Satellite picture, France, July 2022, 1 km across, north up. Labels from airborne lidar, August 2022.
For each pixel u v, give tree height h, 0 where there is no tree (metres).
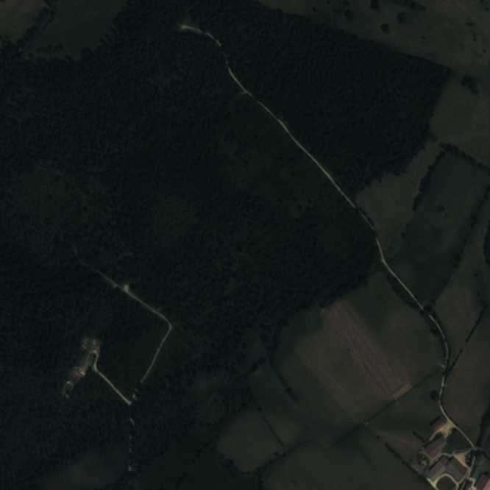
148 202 8
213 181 5
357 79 8
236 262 26
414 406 0
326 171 0
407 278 0
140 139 10
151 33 9
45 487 0
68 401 7
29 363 17
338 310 0
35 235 15
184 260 8
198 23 10
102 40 0
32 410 19
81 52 0
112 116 15
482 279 0
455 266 22
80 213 21
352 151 10
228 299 8
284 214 6
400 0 8
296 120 9
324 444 0
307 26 13
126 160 6
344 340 0
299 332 0
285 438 0
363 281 20
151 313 10
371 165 14
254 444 0
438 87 18
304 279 12
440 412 0
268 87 11
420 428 0
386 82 7
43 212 0
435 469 0
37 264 8
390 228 0
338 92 11
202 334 8
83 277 12
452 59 0
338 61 14
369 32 0
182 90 22
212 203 9
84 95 15
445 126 0
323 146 6
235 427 0
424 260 0
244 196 6
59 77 17
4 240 7
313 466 0
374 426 0
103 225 10
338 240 5
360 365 0
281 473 0
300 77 15
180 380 24
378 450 0
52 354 16
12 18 0
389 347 0
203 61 21
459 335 0
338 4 0
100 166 25
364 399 0
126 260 22
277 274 15
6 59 27
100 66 13
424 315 13
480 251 0
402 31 0
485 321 0
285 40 8
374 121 12
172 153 10
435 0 0
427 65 16
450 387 0
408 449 0
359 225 8
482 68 0
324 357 0
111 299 18
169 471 0
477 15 0
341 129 6
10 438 23
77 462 6
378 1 10
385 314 0
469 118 0
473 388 0
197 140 9
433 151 0
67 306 16
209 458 0
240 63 14
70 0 0
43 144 12
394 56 6
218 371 5
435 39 0
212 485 0
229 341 22
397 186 0
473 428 0
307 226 8
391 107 12
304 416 0
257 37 19
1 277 12
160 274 7
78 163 21
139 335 9
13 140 20
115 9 0
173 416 27
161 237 6
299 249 13
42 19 19
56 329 10
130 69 12
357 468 0
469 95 0
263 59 12
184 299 9
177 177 7
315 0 0
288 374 0
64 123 13
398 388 0
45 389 19
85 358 0
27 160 14
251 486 0
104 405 26
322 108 6
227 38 16
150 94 9
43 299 14
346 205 6
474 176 0
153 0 9
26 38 19
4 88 13
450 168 0
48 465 28
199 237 9
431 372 0
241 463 0
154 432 24
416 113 7
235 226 10
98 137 12
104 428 23
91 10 0
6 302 6
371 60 10
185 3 13
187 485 0
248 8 18
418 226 0
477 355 0
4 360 25
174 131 13
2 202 7
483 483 0
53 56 0
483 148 0
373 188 0
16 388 16
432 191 0
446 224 0
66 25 0
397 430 0
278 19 17
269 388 0
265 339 24
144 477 0
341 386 0
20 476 23
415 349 0
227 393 10
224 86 21
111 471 0
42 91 13
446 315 0
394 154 18
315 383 0
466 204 0
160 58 12
